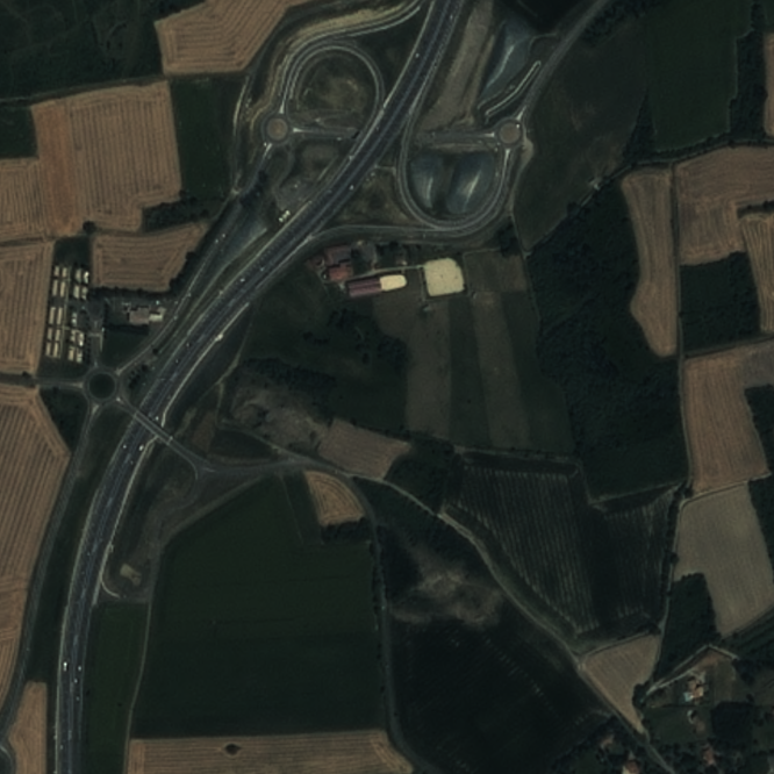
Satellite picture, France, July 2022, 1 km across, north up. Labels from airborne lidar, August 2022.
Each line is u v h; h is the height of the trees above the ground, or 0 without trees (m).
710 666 0
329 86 0
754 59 11
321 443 0
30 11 0
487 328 0
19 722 0
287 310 0
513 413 0
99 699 0
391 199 0
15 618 0
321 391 8
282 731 0
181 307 0
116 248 0
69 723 0
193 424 0
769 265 0
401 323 0
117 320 0
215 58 0
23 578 0
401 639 0
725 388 0
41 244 0
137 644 0
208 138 0
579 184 0
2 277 0
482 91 0
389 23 0
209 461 0
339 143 0
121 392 0
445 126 0
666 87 0
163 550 0
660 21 0
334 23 0
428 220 0
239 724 0
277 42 0
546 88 0
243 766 0
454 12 0
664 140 0
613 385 8
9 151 0
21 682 0
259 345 0
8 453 0
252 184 0
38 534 0
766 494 8
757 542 0
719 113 0
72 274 0
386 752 0
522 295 0
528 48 0
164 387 0
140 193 0
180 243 0
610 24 6
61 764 0
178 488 0
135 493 0
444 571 0
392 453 0
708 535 0
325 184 0
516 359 0
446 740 0
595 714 0
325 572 0
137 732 0
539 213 0
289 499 0
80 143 0
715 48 0
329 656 0
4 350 0
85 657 0
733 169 0
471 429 0
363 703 0
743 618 0
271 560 0
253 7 0
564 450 0
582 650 0
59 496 0
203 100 0
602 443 6
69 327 7
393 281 0
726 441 0
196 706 0
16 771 0
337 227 0
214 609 0
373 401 0
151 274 0
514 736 0
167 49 0
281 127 0
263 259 0
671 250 0
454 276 0
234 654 0
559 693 0
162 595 0
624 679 0
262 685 0
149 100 0
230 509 0
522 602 0
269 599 0
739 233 0
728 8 0
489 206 0
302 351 0
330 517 0
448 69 0
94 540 0
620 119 0
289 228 0
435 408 0
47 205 0
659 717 0
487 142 0
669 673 9
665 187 0
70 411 0
